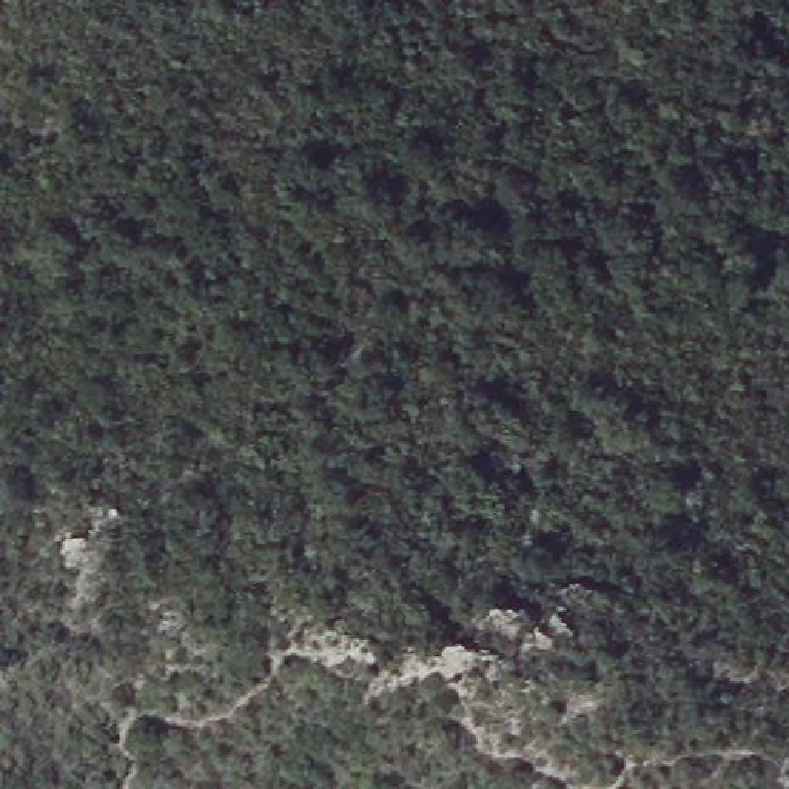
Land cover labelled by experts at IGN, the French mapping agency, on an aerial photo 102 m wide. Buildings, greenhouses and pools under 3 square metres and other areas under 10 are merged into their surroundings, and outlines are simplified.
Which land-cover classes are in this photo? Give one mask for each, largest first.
<instances>
[{"label":"brushwood","instance_id":"1","mask_svg":"<svg viewBox=\"0 0 789 789\"><path fill-rule=\"evenodd\" d=\"M0 789H789V0H0Z\"/></svg>","mask_w":789,"mask_h":789}]
</instances>
